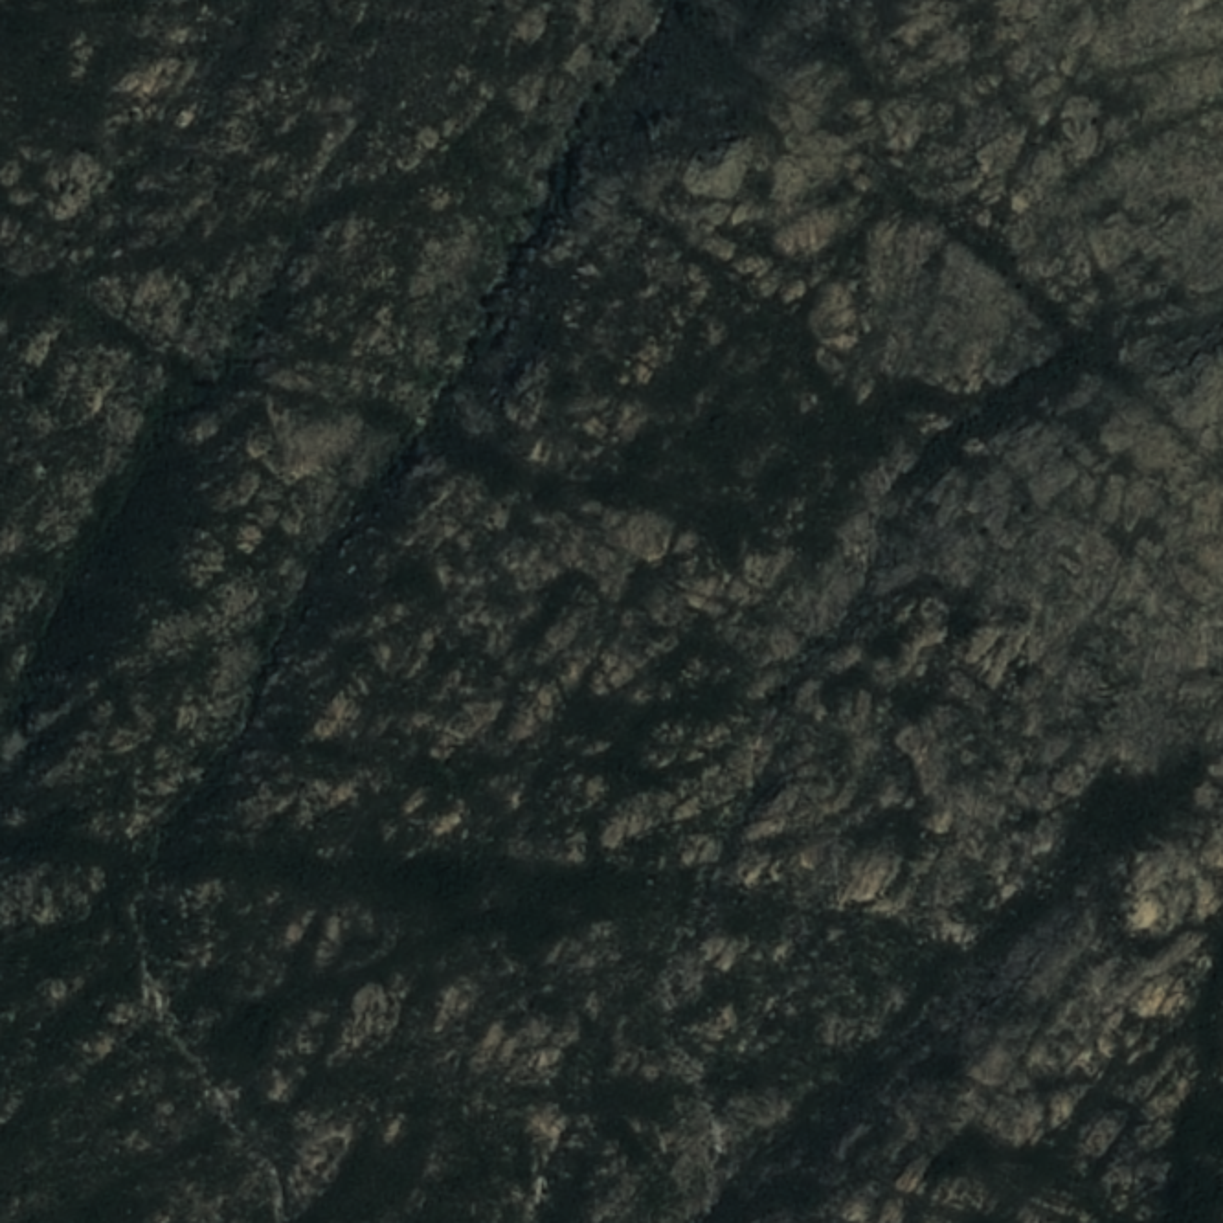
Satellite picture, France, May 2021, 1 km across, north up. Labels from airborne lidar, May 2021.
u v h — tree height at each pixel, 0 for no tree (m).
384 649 0
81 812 6
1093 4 0
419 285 0
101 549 6
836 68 0
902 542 0
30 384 11
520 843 0
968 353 0
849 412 5
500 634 0
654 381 6
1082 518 0
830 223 0
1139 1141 0
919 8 0
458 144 7
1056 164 0
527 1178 8
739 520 6
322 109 0
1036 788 0
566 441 0
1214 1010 7
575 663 0
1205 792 0
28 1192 9
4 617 7
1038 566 0
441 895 8
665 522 0
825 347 0
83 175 0
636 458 8
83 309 6
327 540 5
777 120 0
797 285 0
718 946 0
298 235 6
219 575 8
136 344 7
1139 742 0
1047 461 0
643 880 6
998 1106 0
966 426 6
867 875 0
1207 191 0
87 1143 7
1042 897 9
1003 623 0
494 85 0
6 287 8
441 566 0
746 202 0
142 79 0
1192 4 0
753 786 6
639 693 0
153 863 8
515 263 8
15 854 8
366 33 6
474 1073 0
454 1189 6
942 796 0
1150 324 0
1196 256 0
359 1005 0
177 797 7
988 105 0
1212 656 0
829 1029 0
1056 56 0
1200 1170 8
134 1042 6
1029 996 0
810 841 0
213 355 14
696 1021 0
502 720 5
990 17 0
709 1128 0
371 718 0
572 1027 0
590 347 0
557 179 18
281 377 0
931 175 0
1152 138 0
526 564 0
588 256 6
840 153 0
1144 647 0
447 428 7
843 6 0
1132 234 0
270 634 7
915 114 0
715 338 0
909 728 0
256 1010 11
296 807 6
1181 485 0
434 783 8
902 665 0
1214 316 0
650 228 7
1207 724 0
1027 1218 0
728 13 0
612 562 0
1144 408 0
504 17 0
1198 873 0
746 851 0
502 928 9
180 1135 0
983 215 0
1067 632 0
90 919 6
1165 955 0
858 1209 0
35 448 7
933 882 0
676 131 0
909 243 0
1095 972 0
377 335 0
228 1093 0
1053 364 9
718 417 9
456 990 0
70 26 0
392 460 12
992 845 0
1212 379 0
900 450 0
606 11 0
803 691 0
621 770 8
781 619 0
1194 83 0
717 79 0
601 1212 0
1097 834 6
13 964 8
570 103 0
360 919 0
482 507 0
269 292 10
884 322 0
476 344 16
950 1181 0
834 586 0
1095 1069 0
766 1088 0
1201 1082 7
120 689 6
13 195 0
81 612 7
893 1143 0
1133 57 0
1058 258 0
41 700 7
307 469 0
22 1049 6
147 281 0
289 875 8
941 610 0
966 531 0
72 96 7
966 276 0
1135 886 0
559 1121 0
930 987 6
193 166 9
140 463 7
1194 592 0
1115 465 0
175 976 9
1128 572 0
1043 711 0
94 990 6
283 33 0
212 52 6
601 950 0
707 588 0
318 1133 0
